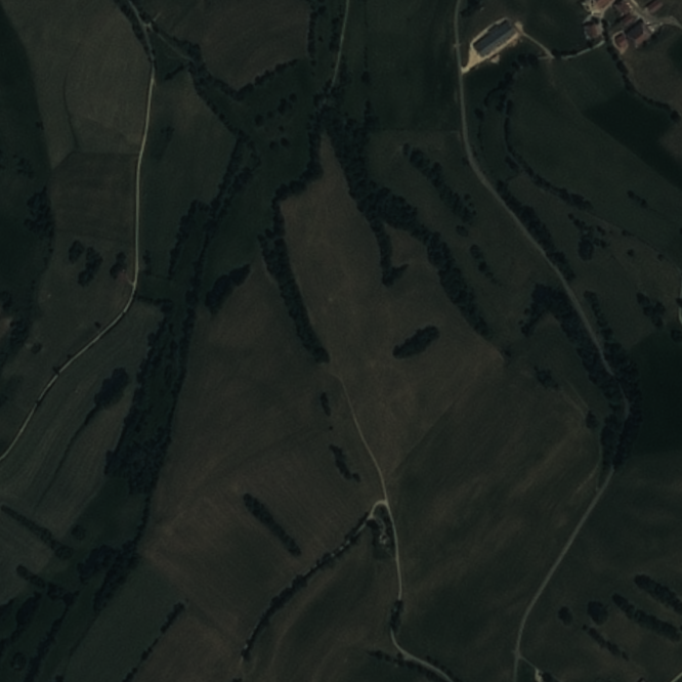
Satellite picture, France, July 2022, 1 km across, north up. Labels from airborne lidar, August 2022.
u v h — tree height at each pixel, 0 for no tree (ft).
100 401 56
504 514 0
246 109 0
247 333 0
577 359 0
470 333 0
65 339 0
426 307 0
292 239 0
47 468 0
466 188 0
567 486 0
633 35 0
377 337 0
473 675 0
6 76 0
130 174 0
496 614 0
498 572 0
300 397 0
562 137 0
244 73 0
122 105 0
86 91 0
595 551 0
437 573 0
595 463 0
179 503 0
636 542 0
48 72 0
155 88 0
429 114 0
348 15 0
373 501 0
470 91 0
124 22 0
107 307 0
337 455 69
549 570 0
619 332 0
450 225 0
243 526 0
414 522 0
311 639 0
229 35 0
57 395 0
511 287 0
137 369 0
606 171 0
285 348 0
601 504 0
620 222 0
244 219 0
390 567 0
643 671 0
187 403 0
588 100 0
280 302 0
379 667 0
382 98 0
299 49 0
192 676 0
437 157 0
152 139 0
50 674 0
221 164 0
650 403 0
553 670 0
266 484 0
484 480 0
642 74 0
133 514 0
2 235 0
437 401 0
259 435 0
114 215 0
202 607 0
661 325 50
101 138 0
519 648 0
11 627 0
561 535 0
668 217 0
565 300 76
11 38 0
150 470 57
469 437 0
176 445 0
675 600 64
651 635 0
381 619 0
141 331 0
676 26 0
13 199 0
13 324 20
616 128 0
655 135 0
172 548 0
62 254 0
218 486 0
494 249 0
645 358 0
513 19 0
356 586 0
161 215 0
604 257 0
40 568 0
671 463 0
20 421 0
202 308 0
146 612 0
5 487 0
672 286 0
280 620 0
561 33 0
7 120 0
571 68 0
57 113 0
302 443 0
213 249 0
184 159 0
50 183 0
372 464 0
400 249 0
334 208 0
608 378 69
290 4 0
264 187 0
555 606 0
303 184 42
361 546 0
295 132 0
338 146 32
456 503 0
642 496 0
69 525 0
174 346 41
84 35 0
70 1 0
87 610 0
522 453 0
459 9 0
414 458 0
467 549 0
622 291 0
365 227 0
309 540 0
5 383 0
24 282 0
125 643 0
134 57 0
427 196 0
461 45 0
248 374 0
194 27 0
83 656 0
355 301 0
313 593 0
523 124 0
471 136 0
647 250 0
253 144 50
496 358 0
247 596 0
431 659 33
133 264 0
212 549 0
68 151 0
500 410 0
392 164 0
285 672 0
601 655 0
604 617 41
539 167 0
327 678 0
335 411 0
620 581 0
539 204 0
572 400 0
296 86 0
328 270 0
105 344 0
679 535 0
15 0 0
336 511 0
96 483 0
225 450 0
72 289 0
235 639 0
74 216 0
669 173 0
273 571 0
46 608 0
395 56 0
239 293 0
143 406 46
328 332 0
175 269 21
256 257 0
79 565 0
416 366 0
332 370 0
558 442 0
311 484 0
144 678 0
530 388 0
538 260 0
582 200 62
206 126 0
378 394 0
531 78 0
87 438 0
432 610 0
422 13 0
